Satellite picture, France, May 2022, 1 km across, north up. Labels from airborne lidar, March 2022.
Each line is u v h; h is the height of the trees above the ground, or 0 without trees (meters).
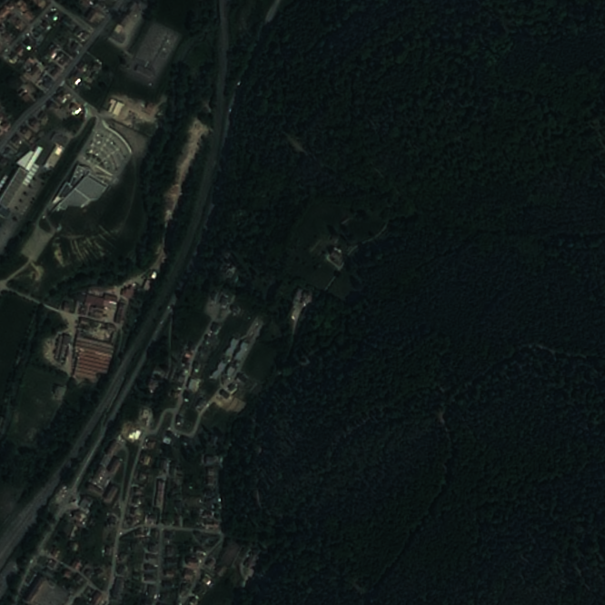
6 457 20
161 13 0
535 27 26
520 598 20
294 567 28
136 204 0
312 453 9
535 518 27
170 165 11
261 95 21
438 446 25
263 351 0
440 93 8
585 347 20
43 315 15
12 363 0
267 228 22
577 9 30
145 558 0
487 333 26
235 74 18
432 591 19
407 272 17
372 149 16
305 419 14
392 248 19
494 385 11
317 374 19
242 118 21
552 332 19
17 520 0
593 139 15
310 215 0
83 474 0
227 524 18
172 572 9
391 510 27
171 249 22
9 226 0
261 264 20
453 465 22
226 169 23
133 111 0
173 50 0
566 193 22
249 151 22
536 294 21
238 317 0
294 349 12
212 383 0
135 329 8
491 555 21
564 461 27
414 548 19
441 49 16
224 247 20
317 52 9
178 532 0
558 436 25
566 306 14
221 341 0
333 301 22
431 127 18
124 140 0
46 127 0
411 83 11
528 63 22
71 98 0
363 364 30
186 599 0
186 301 0
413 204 13
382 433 20
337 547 29
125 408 0
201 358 0
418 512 25
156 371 0
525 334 18
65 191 0
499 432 22
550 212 25
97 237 0
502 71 22
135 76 0
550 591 20
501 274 20
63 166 0
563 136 24
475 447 22
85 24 0
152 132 0
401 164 17
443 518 18
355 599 26
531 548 28
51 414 0
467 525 19
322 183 30
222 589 0
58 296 13
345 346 14
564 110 20
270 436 25
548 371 18
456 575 20
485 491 28
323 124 21
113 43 0
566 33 21
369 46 30
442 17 33
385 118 13
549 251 26
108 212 0
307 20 9
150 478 0
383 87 10
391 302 18
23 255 0
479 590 21
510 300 20
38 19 0
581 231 20
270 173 27
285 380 8
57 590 0
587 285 24
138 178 0
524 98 29
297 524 27
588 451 24
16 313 0
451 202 17
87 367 0
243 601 20
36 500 0
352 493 25
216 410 0
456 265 21
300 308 0
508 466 25
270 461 26
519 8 30
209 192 0
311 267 0
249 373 0
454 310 20
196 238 0
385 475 28
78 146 0
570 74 19
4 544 0
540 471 29
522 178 14
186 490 0
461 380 11
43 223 0
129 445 0
